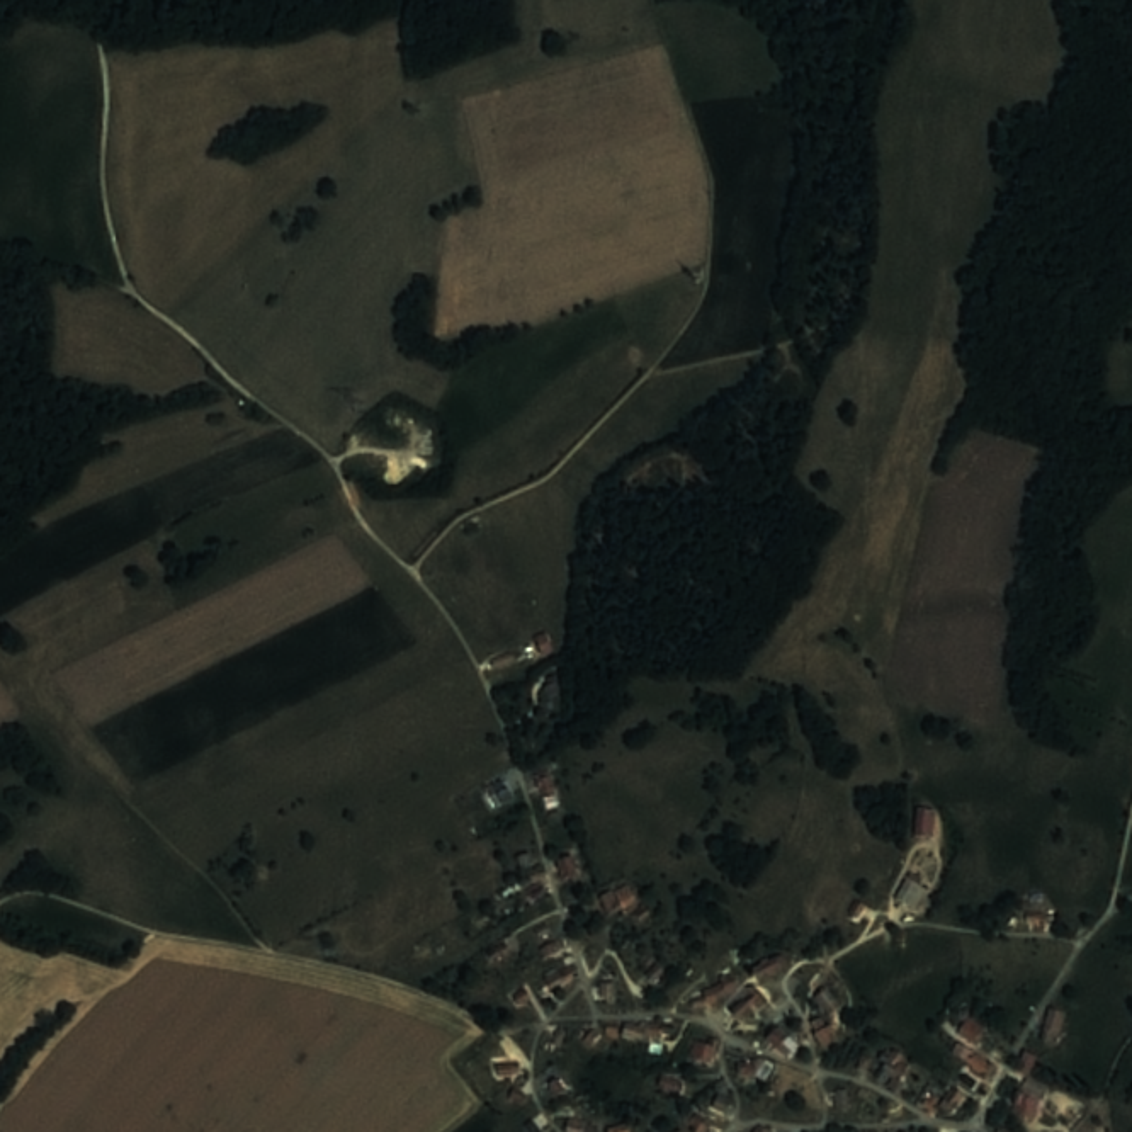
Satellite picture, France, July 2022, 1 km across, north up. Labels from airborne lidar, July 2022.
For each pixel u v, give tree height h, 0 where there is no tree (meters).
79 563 0
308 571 0
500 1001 0
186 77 0
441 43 21
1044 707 15
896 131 0
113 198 0
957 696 0
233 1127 0
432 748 0
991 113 0
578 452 0
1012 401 11
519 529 0
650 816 0
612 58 0
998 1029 9
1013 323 20
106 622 0
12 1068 14
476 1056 0
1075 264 19
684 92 0
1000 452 0
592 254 0
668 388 0
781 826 0
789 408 15
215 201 0
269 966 0
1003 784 0
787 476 18
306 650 0
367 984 0
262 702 0
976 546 0
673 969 9
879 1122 0
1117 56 22
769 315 0
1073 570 20
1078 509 9
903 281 0
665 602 22
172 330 0
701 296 0
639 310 0
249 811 0
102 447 10
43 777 16
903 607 0
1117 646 0
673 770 0
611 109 0
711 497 22
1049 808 0
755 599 21
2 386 21
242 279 0
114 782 0
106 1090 0
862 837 0
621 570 22
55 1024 15
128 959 8
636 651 15
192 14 21
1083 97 21
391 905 0
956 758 0
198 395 10
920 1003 0
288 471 0
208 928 0
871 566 0
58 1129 0
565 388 0
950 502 0
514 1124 0
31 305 14
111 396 10
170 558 13
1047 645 11
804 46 19
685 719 9
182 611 0
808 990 0
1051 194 15
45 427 20
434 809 0
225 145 8
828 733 16
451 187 0
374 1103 0
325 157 0
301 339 0
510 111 0
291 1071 0
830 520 20
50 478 18
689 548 23
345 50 0
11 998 0
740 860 13
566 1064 0
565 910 0
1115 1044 0
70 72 0
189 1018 0
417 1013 0
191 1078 0
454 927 0
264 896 0
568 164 0
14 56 0
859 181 18
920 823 0
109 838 0
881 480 0
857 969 0
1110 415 16
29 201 0
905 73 0
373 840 0
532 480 6
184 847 0
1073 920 0
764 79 0
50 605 0
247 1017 0
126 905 0
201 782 0
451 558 0
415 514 0
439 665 0
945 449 14
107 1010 0
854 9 21
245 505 0
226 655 0
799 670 0
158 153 0
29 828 0
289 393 0
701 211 0
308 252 0
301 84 0
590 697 19
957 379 0
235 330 0
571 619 13
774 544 20
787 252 16
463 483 0
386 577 0
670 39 0
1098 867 0
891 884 0
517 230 0
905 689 0
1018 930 0
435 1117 0
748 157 0
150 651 0
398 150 0
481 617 0
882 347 0
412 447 0
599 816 0
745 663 21
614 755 0
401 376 0
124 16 26
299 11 21
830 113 20
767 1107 0
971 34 0
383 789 0
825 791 0
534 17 0
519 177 0
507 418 0
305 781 0
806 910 0
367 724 0
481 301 0
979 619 0
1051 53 0
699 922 10
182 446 0
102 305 0
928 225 0
